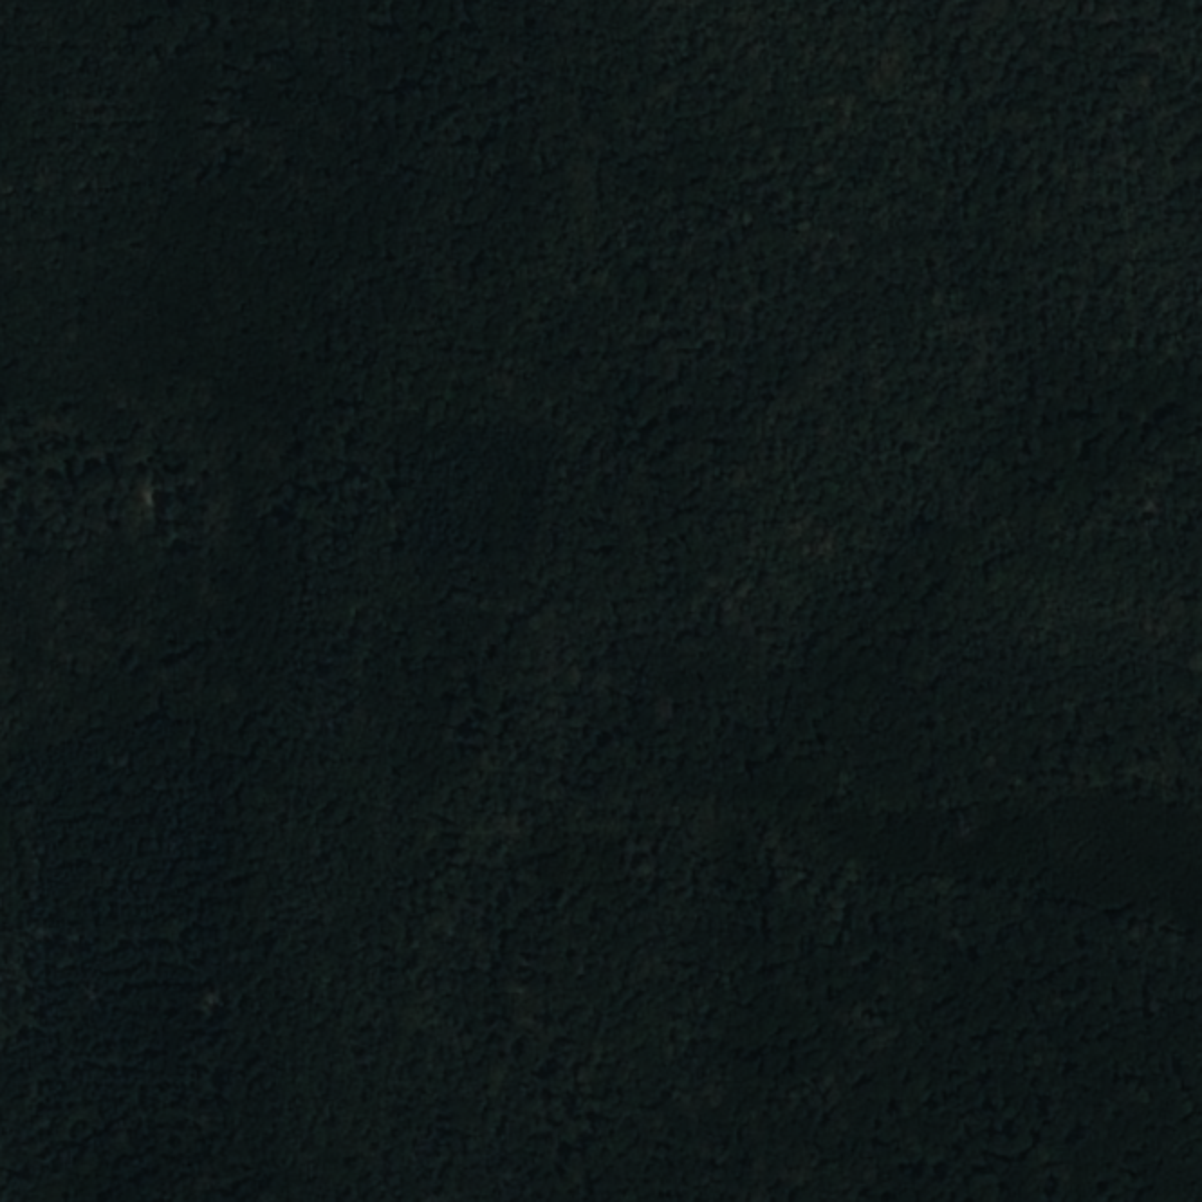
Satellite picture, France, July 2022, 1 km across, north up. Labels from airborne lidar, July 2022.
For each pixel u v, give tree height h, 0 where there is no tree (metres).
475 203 20
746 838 8
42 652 26
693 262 20
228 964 22
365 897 18
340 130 20
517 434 15
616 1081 17
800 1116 22
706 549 17
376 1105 14
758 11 12
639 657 19
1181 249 11
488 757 17
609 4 16
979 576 16
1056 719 18
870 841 14
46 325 18
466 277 16
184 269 25
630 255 16
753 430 18
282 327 18
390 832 19
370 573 20
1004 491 22
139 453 30
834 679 23
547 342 18
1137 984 21
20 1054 14
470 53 20
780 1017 24
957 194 15
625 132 19
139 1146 16
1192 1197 21
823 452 15
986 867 17
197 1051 23
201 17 24
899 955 26
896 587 22
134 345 19
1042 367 19
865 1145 22
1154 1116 23
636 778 19
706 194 18
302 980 18
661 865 14
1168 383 22
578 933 20
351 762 21
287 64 27
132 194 21
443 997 14
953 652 14
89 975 20
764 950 21
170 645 23
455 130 17
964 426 13
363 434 26
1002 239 18
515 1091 20
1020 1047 23
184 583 25
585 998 20
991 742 18
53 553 27
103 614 30
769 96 16
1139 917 12
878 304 15
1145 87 16
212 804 13
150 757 19
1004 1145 27
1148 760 24
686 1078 22
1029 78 20
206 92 23
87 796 21
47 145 16
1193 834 12
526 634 16
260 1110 25
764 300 14
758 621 13
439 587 23
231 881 19
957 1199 23
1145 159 15
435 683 20
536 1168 17
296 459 25
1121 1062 22
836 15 17
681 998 18
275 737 20
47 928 22
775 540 10
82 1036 12
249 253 23
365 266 23
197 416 23
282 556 27
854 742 19
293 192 22
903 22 14
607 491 20
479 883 15
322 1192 22
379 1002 21
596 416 21
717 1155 20
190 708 23
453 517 16
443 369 16
